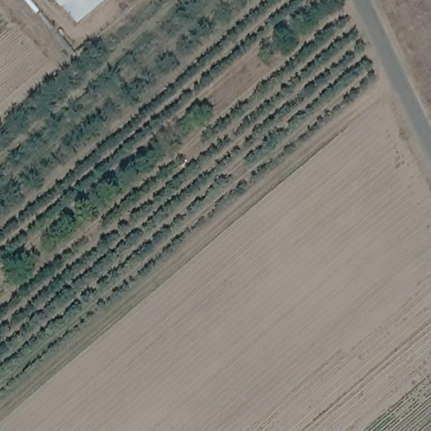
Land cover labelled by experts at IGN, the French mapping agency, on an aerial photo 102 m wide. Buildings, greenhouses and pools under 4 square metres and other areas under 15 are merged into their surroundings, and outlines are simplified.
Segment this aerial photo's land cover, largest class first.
<instances>
[{"label":"agricultural land","instance_id":"1","mask_svg":"<svg viewBox=\"0 0 431 431\"><path fill-rule=\"evenodd\" d=\"M64 44L52 32L51 24L47 20L40 22L39 15L30 10L24 0H0V121L7 116L8 109L12 108L13 104L24 101L27 94L34 96L39 91V82L44 79L45 74H51L67 61L62 56ZM412 93L416 96L419 108L431 128V0H370ZM362 120L350 126L342 135H338L327 148H323L322 152L311 158L305 167H301L290 178H286L283 184L266 195L239 221L234 222L222 236L217 237L189 264H185L184 268L173 274L167 283L153 291L152 295L141 301L140 305L135 306L126 317L121 318L120 322L109 328L96 342L91 343L88 349L82 350L76 359L69 362L56 375H52L44 386L27 397L12 412H8L0 421V431H431V162L419 143L418 135L407 116L406 109L402 106L401 99L391 86L375 103L360 111Z\"/></svg>","mask_w":431,"mask_h":431},{"label":"deciduous trees","instance_id":"2","mask_svg":"<svg viewBox=\"0 0 431 431\"><path fill-rule=\"evenodd\" d=\"M276 0H261L258 7L251 8L241 20H237L234 27L227 30L215 44L210 45L207 51L202 52L182 74H178L175 81L170 82L167 88L143 104L138 113L131 116L130 121H126L121 128L109 133L103 141H99L86 157L77 160L74 168L56 180L51 189L45 190L44 194L25 205V209L20 210L19 215L8 219L5 224L0 222V246L5 247L7 251H15L19 247H25L27 236L39 231L42 234L40 242L44 244L45 251H51L59 242L71 236L77 227L94 221L99 207L106 204V200L111 199L113 195L120 194L123 185L135 180L138 173L152 170L157 160L165 157V153L162 152L163 146L182 145L190 131L194 130V126H199L212 114V103L209 99H197L190 104L182 118H175V125L162 126L152 136V140L148 141V145L140 146L136 153H131L128 146L143 138L148 131L157 126L158 121L165 120L173 111H177L187 96L199 93L200 89L205 88L224 67L229 66L236 57L242 56L253 45L256 37L263 34L264 27L261 25L253 34H247L246 39H242L226 57L212 64L209 71L200 76L199 81L194 82V88L184 89L175 101L165 106L160 113H155L153 108L173 94V91L180 84H184L190 76H194L195 71L204 66L209 57L221 51L231 40L232 35L239 34L246 25L258 19L259 15ZM54 192L61 194L59 200L37 215L27 229L20 231L12 239L3 236L5 232L12 231L13 227L24 221L35 207L42 205V202L49 199ZM345 0H290L269 15V20L274 25V39L269 40V47L266 49L259 47L258 54L266 66L274 54L290 52L300 35L306 34L311 25L317 24L325 15L342 8ZM349 20V15H340L337 20L318 30L317 35L310 42L303 44L295 57L286 61L278 71L271 72L254 89L261 94L266 93L269 84L276 77L291 71L303 57L322 44L333 30L342 27ZM349 40L355 42L352 51L345 52L340 61L333 62L322 74L308 82L295 99L269 114L263 123L254 126L253 131L263 130L271 121L281 120L283 114L288 113L296 104H300L306 96H310L318 84H322L323 79H327L340 64H345L355 54L364 51V40L360 39L359 32L357 29H350L349 32L332 40L327 49L317 54L301 72L291 77L290 81L281 84L278 93L259 104L253 113L247 114L241 125L234 130L236 136L241 135L264 109L276 103L281 96L290 93L306 74H310L313 67L327 61L328 57L333 56ZM98 44L89 47L88 51H82L81 56L71 57V61H67L51 74H45L44 79L39 82V91L34 96L27 94L24 101L13 104L12 108L8 109L7 116L0 121V148L20 135L32 121L39 118L45 121L42 128L34 131L27 140L8 153L10 163L0 167V205L3 209H10L13 205L19 204L20 200L24 199V194L20 192L22 187L29 185L30 189H37L44 184L45 175H49L52 168L66 162L72 152H77L79 146L98 135L104 121L114 120L121 114V109L138 101L143 89L157 82V77L178 66V59L173 56V52H162L155 59V66L141 69V74H146V79L135 77L131 81H126L125 77L121 76V67L131 66L138 61L135 51L128 49L113 64H109L101 76L89 82L88 88L84 89L81 96L72 99L69 106L61 109V113H54L56 103L64 99L71 89L77 88L86 72L101 66L104 57L108 56V47L104 45L101 37H98ZM360 69L369 74L360 79L357 88L343 94L342 101L333 104L332 108L325 109L323 114L317 116L313 125L308 126L298 138L285 145L283 152L269 158L268 162L261 163L251 172V177L237 182L236 189L229 190L227 194L215 200L209 214L204 217L200 215L192 226L185 227L184 231L173 236L172 241L163 246L160 253L148 259L138 269V273L146 276L150 273V269L163 259H167L168 254L175 251V247L184 242L185 237L194 234L204 224L212 221L226 205L231 204L232 200L244 194L249 187H253L259 177H263L264 172L283 162L290 153L295 152L296 146H300L315 131L320 130L323 123L332 120L335 114L352 103L360 93H364L370 82L375 81V72L369 57H362L354 66L347 67L332 84H328L318 98L313 99L305 109L293 114L288 120V123H300L301 120H305V116L311 114L313 109L325 103L338 88H342L352 77L357 76ZM249 104L247 99H242L237 101L229 113L215 121L214 125H207L200 140H207L217 131L226 128L237 114L241 113L244 106ZM288 133L286 128H276L264 136L261 145L247 153L244 162L253 163L256 158L263 155V150L274 148L276 141ZM229 143V136H224L204 152H200L197 157L192 158L185 168L175 173L172 180H168L162 189L153 195L160 197L165 190L175 189L184 180L185 175L195 167V163L200 165L205 158L219 152L222 146ZM239 146H234L224 157L219 158L210 170L200 173L199 177L192 180V184L165 200V204L158 207L155 214L150 215L140 227L128 232L125 239H121L113 249H108L106 244L109 237L116 236L118 232L109 231L101 234L96 246L91 247L71 264L64 261L67 254L76 253L77 247L88 242L86 236L79 237L77 241L72 242L71 247L54 256L49 263H45L35 276L30 271L39 256L34 254H22L20 259H3L0 263V367L19 359L25 350L32 347L40 338H44L45 330L54 328L57 322L64 318L71 317L72 311L79 310L82 303H88L91 293L103 291L104 285L116 278L121 269L148 251H152V247L167 236L172 227H177L185 217L194 214L214 190L221 189L222 185L229 182V173L219 175L209 189L205 190L204 195L195 197L184 214L175 215L170 224H165L160 231L153 234L152 239L143 242L125 259H121L118 253L133 244L136 237L145 231V227H152L162 210H168L182 202L187 195L204 184L210 173L221 170L232 158H236ZM184 160L182 153L172 162L162 165L157 175L146 178L140 187L131 189V192L103 215L101 224L108 226L114 215L121 214L126 205L148 192L153 184H157L160 178L167 175L170 168ZM93 317V311H86L71 328H67L59 337L47 343L39 354H35L22 365L17 374L5 377L0 372V391L5 394L12 392L15 389L13 382L22 379L32 365L44 359L45 355L51 354L52 349L59 347L62 342H66L69 335L79 332L82 325Z\"/></svg>","mask_w":431,"mask_h":431},{"label":"herbaceous vegetation","instance_id":"3","mask_svg":"<svg viewBox=\"0 0 431 431\"><path fill-rule=\"evenodd\" d=\"M261 0H150L143 3L135 13H131L130 17H126L125 25H121L120 29L101 37L104 45L108 47V56L104 57L101 66L86 72L77 88L71 89L64 99L56 103L54 113H61V109L69 106L72 99L81 96L84 89L88 88L89 82L101 76L109 64H113L128 49L135 51L138 61L131 66L121 67V76L125 77L126 81H131L135 77L146 79V74H141V69L155 66V59L162 52H173V56L178 59V66L157 77V82L143 89L138 101L121 109V114L114 120L104 121L98 135L79 146L77 152H72L66 162L52 168L49 175H45L44 184L37 189H30L29 185L22 187L20 192L24 194V199L20 200L19 204L13 205L10 209H3L0 205V222L5 224L8 219L19 215L20 210L25 209V205L44 194L45 190L51 189L56 180L74 168L77 160L86 157L99 141H103L109 133L121 128L126 121H130L131 116L138 113L143 104L167 88L170 82L175 81L178 74H182L202 52L207 51L210 45L215 44L227 30L234 27L237 20H241L251 8L258 7ZM290 0H276L259 15L258 19L246 25L239 34L232 35L231 40L221 51L209 57L204 66L195 71L194 76H190L184 84H180L173 91V94L153 108L155 113H160L165 106L175 101L184 89L194 88V82L199 81L200 76L209 71L212 64L226 57L242 39H246L247 34H253L261 25L264 27L263 34L256 37L253 45L242 56L236 57L229 66L224 67L205 88L200 89L199 93L187 96L177 111H173L165 120L158 121L157 126L148 131L143 138L128 146L131 153H136L140 146L148 145V141L152 140V136L162 126L175 125V118H182L190 104L197 99H209L212 103V114L199 126H194V130L190 131L182 145L163 146L162 152L165 153V157L157 160L152 170L138 173L135 180L123 185L120 194L113 195L111 199L106 200V204L99 207L94 221L77 227L71 236L59 242L51 251H45L44 244L40 242L42 234L39 231L27 236L25 247H19L15 251H7L5 247L0 246V263L3 259H20L22 254H34L39 256L30 271L35 276L45 263H49L54 256L71 247L72 242L77 241L79 237L86 236L88 242L77 247L76 253L67 254L64 261L71 264L91 247L96 246L101 234L109 231L118 232L116 236L109 237L106 244L108 249H113L121 239H125L128 232L140 227L150 215L155 214L158 207L165 204V200L192 184V180L199 177L200 173L210 170L219 158L224 157L234 146H239L236 158H232L221 170L210 173L204 184L187 195L182 202L168 210H162L152 227H145V231L136 237L133 244L118 253L121 259H125L143 242L152 239L153 234L160 231L165 224H170L175 215L184 214L195 197L204 195L205 190L209 189L219 175L229 173V182L222 185L221 189L214 190L194 214L185 217L177 227H172L167 236L152 247V251H148L121 269L116 278L104 285L103 291L91 293L88 303H82L79 310L72 311L71 317L64 318L57 322L54 328L45 330L44 338H40L32 347L25 350L19 359L0 367V372L5 377L17 374L22 365L35 354H39L47 343L59 337L67 328H71L86 311H93V317L82 325L79 332L69 335L66 342H62L59 347L52 349L51 354L45 355L44 359L32 365L22 379L13 382L15 389L12 392L5 394L0 391V421L8 412H12L27 397L44 386L52 375H56L69 362L76 359L82 350L88 349L91 343L96 342L109 328L120 322L121 318L126 317L135 306L140 305L141 301L152 295L153 291L167 283L173 274L184 268L185 264H189L217 237L222 236L234 222L239 221L266 195L283 184L286 178H290L301 167H305L311 158L322 152L323 148H327L338 135H342L350 126L362 120L360 111L375 103L391 86L386 69L375 51L374 40L365 27L364 20L360 19L354 0H345L342 8L325 15L317 24L311 25L306 34L300 35L290 52L274 54L266 66L258 54L259 47L266 49L269 47V40L274 39V25L269 20V15ZM340 15H349V20L342 27L333 30L322 44L303 57L291 71L276 77L269 84L266 93L261 94L254 89L271 72L278 71L286 61L295 57L303 44L310 42L317 35L318 30L337 20ZM350 29H357L359 32L360 39L364 40V51L355 54L345 64H340L327 79H323L322 84H318L310 96H306L300 104H296L288 113L283 114L281 120L271 121L263 130L253 131L254 126L263 123L269 114L295 99L308 82L322 74L333 62L340 61L345 52L352 51L355 42L349 40L333 56L328 57L327 61L313 67L310 74H306L290 93L281 96L276 103L264 109L241 135L236 136L234 130L241 125L247 114L253 113L259 104L278 93L281 84L290 81L291 77L301 72L317 54L327 49L332 40L349 32ZM362 57H369L375 72V81L370 82L364 93H360L352 103L335 114L332 120L323 123L320 130L315 131L300 146H296L295 152L290 153L283 162L264 172L263 177H259L253 187H249L244 194L232 200L231 204L226 205L212 221L204 224L194 234L185 237L184 242L175 247V251L168 254L167 259H163L150 269V273L146 276L138 273V269L148 259L160 253L163 246L172 241L173 236L184 231L185 227L192 226L200 215L204 217L209 214L215 200L227 194L229 190L236 189L237 182L251 177V172L261 163L268 162L269 158L283 152L285 145L298 138L308 126L313 125L317 116L323 114L325 109L332 108L333 104L342 101L343 94L357 88L360 79L369 74L360 69L357 76L352 77L342 88H338L325 103L313 109L311 114L305 116V120H301L300 123H288V120L293 114L305 109L313 99L318 98L328 84H332L347 67L354 66ZM242 99H247L249 104L244 106L241 113L237 114L226 128L217 131L207 140H200L207 125H214L215 121L229 113L237 101ZM276 128H286L288 133L276 141L274 148L263 150V155L256 158L253 163L244 162L247 153L261 145L264 136ZM224 136H229V143L222 146L219 152L205 158L200 165L195 163V167L185 175L184 180L175 189L165 190L160 197L153 195L162 189L168 180H172L175 173L185 168L192 158L197 157L200 152H204ZM182 153L184 160L170 168L167 175L160 178L157 184H153L148 192L126 205L121 214L114 215L108 226L101 224L103 215L131 192V189L140 187L146 178L157 175L162 165L172 162ZM45 121L39 118L32 121L20 135L0 148V167L10 163L8 153L27 140L34 131L42 128ZM61 194L54 192L49 199L42 202V205L35 207L24 221L13 227L12 231L5 232L3 236L12 239L20 231L27 229L37 215L59 200Z\"/></svg>","mask_w":431,"mask_h":431},{"label":"pervious surface","instance_id":"4","mask_svg":"<svg viewBox=\"0 0 431 431\"><path fill-rule=\"evenodd\" d=\"M30 10L39 15L40 22L47 20L51 24L52 32L64 44L62 56L67 61H71V57L81 56L82 51H88L89 47L98 44V37H101L120 29L121 25H125L126 17H130L131 13H135L143 3L150 0H104L86 17L74 20L71 13L56 0H24Z\"/></svg>","mask_w":431,"mask_h":431},{"label":"impervious surface","instance_id":"5","mask_svg":"<svg viewBox=\"0 0 431 431\"><path fill-rule=\"evenodd\" d=\"M360 19L364 20L365 27L374 40L375 51L386 69L391 86L401 99L402 106L406 109L407 116L418 135L419 143L431 162V128L419 108L416 96L412 93L370 0H354Z\"/></svg>","mask_w":431,"mask_h":431},{"label":"building","instance_id":"6","mask_svg":"<svg viewBox=\"0 0 431 431\"><path fill-rule=\"evenodd\" d=\"M71 13L74 20L86 17L104 0H56Z\"/></svg>","mask_w":431,"mask_h":431}]
</instances>
